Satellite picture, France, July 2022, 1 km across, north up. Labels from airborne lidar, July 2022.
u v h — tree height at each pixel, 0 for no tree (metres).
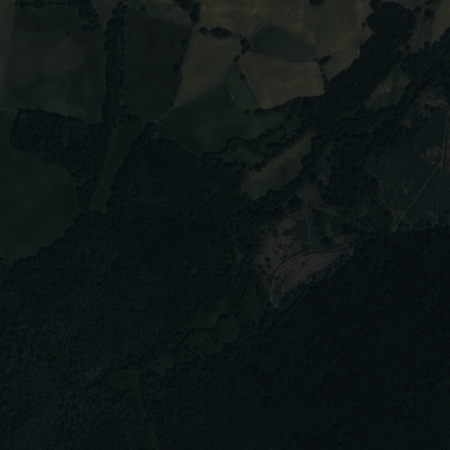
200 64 0
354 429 23
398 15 20
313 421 23
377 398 25
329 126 15
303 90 0
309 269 0
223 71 0
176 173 16
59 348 9
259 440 15
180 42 0
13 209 0
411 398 17
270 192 14
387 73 23
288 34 0
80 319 11
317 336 20
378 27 17
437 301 20
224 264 15
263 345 18
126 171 26
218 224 16
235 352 21
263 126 0
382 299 25
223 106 0
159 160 15
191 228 18
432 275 25
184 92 0
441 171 0
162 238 21
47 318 10
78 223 20
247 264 18
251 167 6
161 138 0
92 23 18
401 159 0
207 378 16
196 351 7
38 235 0
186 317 26
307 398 22
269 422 21
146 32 0
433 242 21
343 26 0
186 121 0
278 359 22
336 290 21
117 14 14
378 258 15
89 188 14
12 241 0
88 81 0
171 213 10
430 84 17
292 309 21
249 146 18
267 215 19
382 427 24
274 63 0
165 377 6
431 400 22
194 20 22
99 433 10
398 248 20
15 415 13
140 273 23
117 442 7
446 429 21
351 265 29
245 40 11
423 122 15
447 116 0
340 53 0
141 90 0
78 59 0
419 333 22
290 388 16
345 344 22
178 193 16
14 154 0
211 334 6
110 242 18
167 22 0
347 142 11
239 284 7
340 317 19
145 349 15
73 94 0
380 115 11
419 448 20
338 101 25
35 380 23
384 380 21
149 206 22
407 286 24
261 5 0
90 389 7
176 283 15
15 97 0
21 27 0
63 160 19
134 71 0
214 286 14
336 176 17
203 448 15
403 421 22
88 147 19
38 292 15
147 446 0
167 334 14
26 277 13
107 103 20
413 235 18
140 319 12
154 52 0
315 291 25
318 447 28
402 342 24
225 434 19
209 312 9
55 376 22
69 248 13
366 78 18
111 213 10
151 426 19
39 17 0
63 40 0
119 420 8
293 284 0
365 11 0
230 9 0
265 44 0
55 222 0
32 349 14
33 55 0
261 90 0
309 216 0
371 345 24
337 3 0
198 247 16
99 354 12
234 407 19
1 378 6
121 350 15
